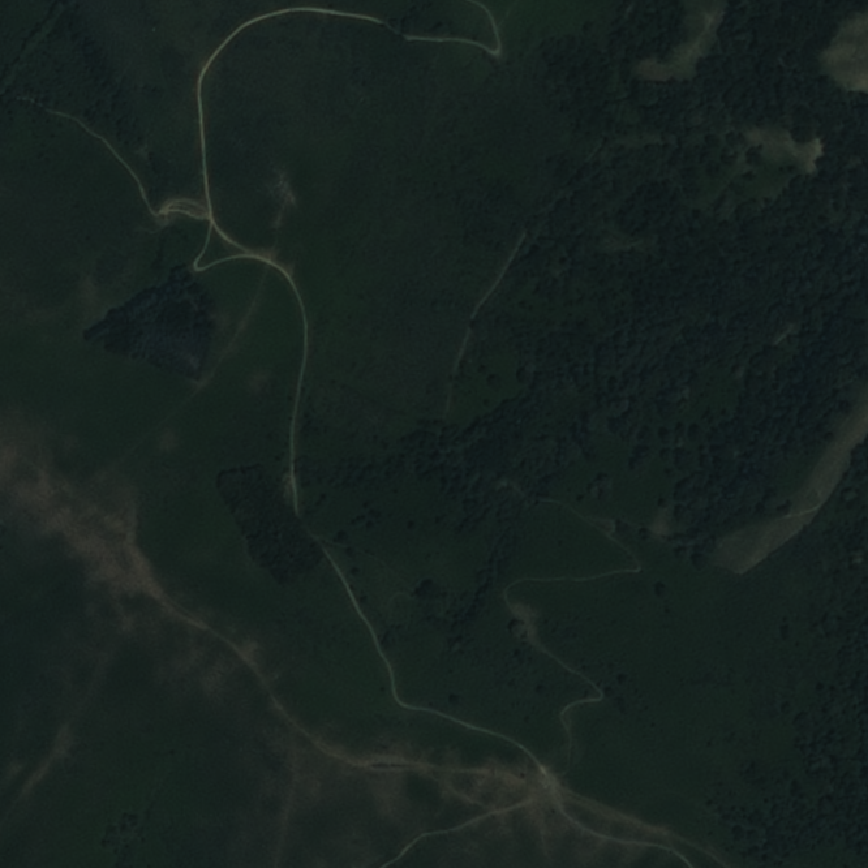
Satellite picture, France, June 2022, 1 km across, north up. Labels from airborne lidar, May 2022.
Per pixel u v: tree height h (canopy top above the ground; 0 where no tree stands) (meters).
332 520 0
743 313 28
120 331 20
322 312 0
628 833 0
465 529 11
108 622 0
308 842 0
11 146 0
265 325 0
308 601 0
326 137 0
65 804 0
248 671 0
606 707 0
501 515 10
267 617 0
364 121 0
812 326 16
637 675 0
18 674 0
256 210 0
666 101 24
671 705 0
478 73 0
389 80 0
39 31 13
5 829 0
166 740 0
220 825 0
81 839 0
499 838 0
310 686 0
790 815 5
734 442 23
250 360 0
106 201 0
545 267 15
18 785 0
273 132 0
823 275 22
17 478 0
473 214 6
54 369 0
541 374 19
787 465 9
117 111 9
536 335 10
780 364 8
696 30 0
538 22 0
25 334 0
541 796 0
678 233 22
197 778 0
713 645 0
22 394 0
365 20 0
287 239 0
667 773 0
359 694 0
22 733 0
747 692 0
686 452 16
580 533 0
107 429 0
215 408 0
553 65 11
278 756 0
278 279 0
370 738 0
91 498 0
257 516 19
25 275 0
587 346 9
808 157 0
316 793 0
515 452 7
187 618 0
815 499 0
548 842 0
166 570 0
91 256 0
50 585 0
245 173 0
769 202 15
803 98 19
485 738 0
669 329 19
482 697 0
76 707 0
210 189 0
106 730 0
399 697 0
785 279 21
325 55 0
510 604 0
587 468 0
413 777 0
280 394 0
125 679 0
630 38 22
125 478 0
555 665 0
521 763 0
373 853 0
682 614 0
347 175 0
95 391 0
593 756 0
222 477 9
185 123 0
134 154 0
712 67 23
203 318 16
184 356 14
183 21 0
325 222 0
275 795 0
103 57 7
